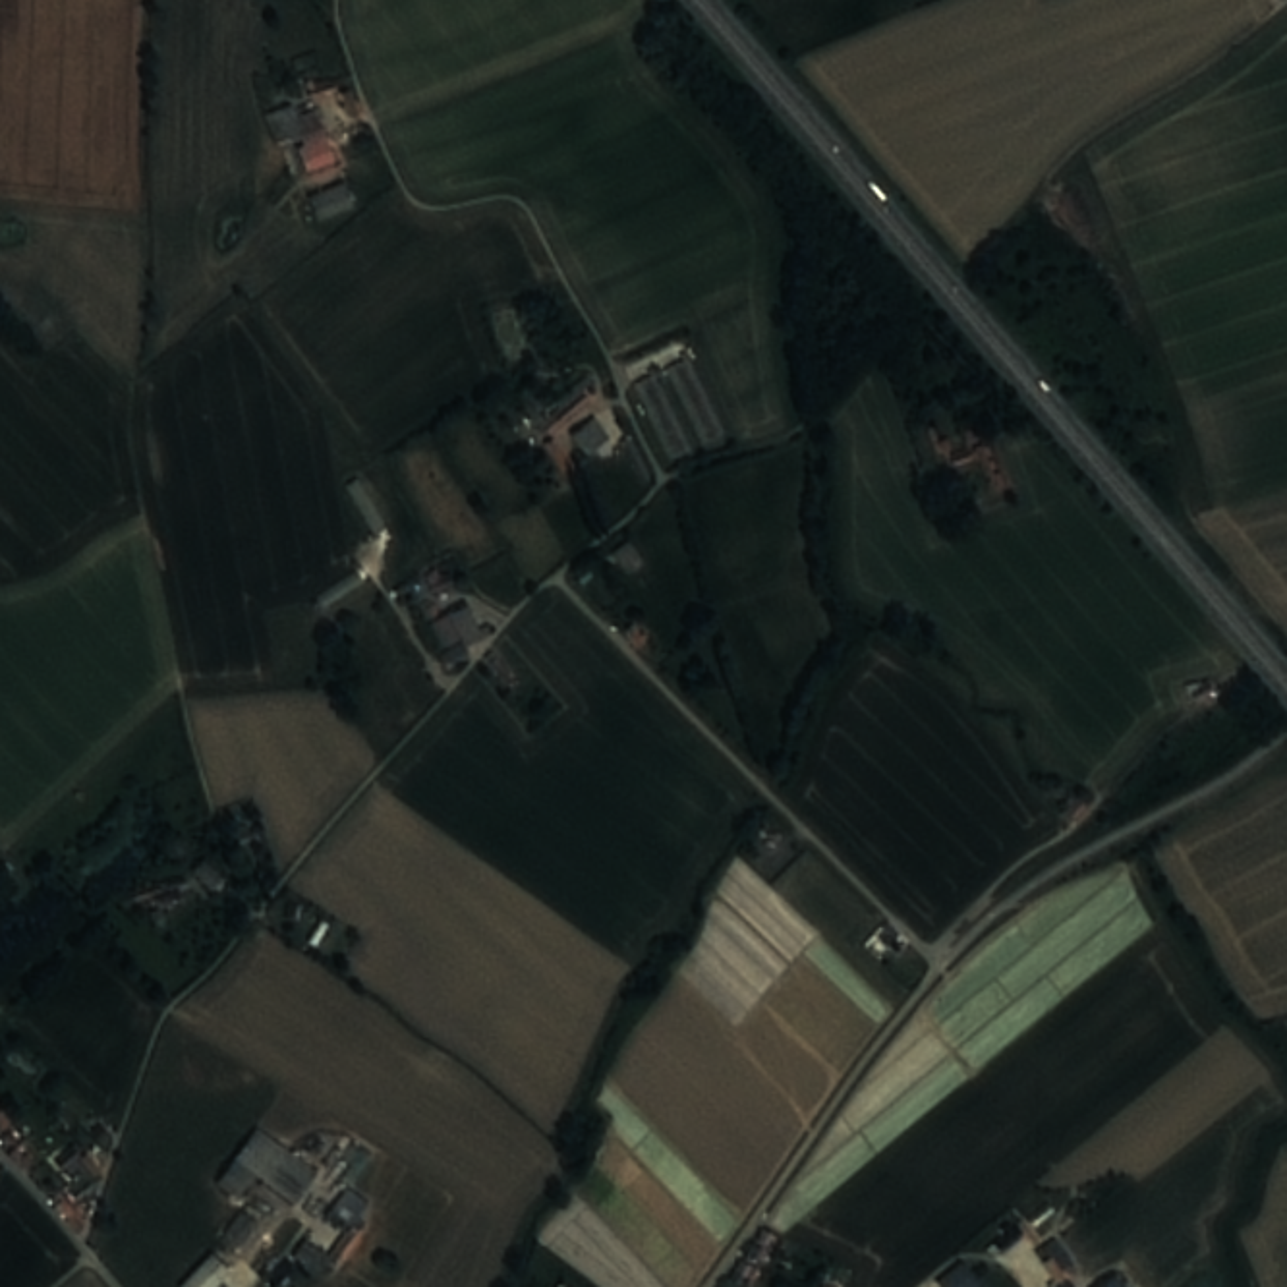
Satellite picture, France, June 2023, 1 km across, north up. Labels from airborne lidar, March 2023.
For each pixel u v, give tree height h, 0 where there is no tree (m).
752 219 0
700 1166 0
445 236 0
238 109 0
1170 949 0
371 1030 0
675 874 0
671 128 0
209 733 0
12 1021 0
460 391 0
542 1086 0
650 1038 0
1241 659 0
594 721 0
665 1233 0
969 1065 0
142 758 0
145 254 0
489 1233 0
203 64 0
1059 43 0
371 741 0
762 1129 0
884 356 31
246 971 0
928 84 0
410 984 0
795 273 23
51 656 0
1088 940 0
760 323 0
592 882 0
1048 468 0
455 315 0
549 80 0
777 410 0
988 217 0
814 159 0
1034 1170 0
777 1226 0
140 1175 0
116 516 0
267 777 0
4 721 0
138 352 0
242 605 0
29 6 0
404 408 0
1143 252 0
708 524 0
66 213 0
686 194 0
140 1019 0
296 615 0
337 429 0
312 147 0
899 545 0
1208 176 0
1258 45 0
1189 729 0
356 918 0
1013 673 0
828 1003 0
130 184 0
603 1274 0
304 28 0
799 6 0
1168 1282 0
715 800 0
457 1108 0
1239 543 0
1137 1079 0
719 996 0
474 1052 0
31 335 19
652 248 0
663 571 0
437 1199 0
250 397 0
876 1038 0
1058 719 0
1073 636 0
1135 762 0
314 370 0
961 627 0
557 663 0
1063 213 0
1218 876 0
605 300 0
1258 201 0
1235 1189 0
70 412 0
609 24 0
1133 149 0
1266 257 0
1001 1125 0
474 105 0
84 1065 0
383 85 0
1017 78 0
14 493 0
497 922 0
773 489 0
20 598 0
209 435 0
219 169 0
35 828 0
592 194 0
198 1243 0
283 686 0
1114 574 0
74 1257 0
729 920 0
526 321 15
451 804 0
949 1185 0
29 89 0
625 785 0
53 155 0
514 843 0
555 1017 0
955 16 0
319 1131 0
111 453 0
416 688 0
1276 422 0
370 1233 0
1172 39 0
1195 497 0
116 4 0
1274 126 0
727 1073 0
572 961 0
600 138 0
